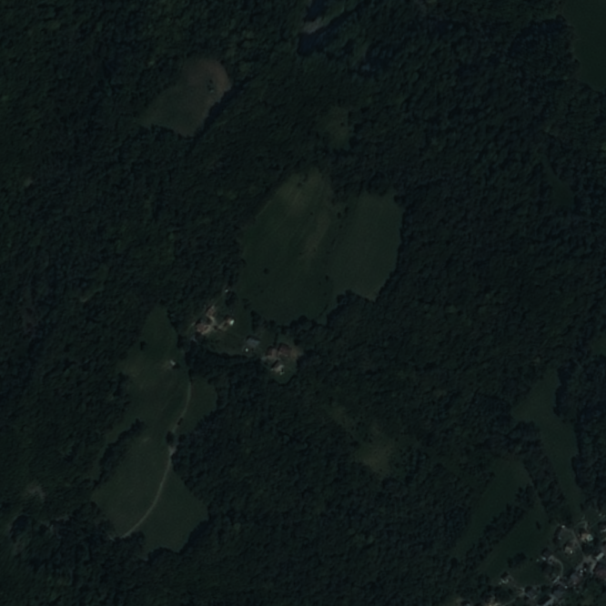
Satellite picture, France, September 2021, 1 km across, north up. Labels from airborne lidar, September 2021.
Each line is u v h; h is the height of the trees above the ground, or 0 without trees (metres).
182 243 23
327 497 30
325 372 26
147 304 19
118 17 30
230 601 30
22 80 24
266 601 36
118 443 9
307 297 0
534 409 0
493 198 27
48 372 32
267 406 26
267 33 33
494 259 26
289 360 0
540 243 34
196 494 19
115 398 24
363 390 27
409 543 18
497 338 21
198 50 27
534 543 0
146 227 23
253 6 35
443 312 25
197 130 0
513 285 29
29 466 17
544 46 23
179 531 0
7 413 28
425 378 23
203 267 25
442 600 18
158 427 0
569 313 29
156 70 27
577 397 22
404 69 30
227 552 28
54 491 12
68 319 24
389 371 28
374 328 22
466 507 10
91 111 8
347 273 0
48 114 17
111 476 18
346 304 16
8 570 24
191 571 30
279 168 28
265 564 23
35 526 14
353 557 24
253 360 11
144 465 0
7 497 27
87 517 28
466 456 25
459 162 26
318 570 31
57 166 13
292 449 27
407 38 21
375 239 0
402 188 20
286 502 24
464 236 25
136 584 23
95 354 26
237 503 38
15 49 32
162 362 0
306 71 24
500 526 8
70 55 24
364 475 20
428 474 13
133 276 27
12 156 31
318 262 0
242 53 27
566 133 25
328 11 15
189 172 24
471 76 32
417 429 9
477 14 30
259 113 29
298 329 21
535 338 22
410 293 21
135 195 26
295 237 0
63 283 27
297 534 26
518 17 17
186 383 0
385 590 26
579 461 11
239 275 14
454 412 26
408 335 24
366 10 23
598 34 0
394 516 23
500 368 21
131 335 26
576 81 13
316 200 0
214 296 20
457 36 28
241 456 25
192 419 0
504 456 17
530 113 25
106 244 31
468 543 0
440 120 38
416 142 23
